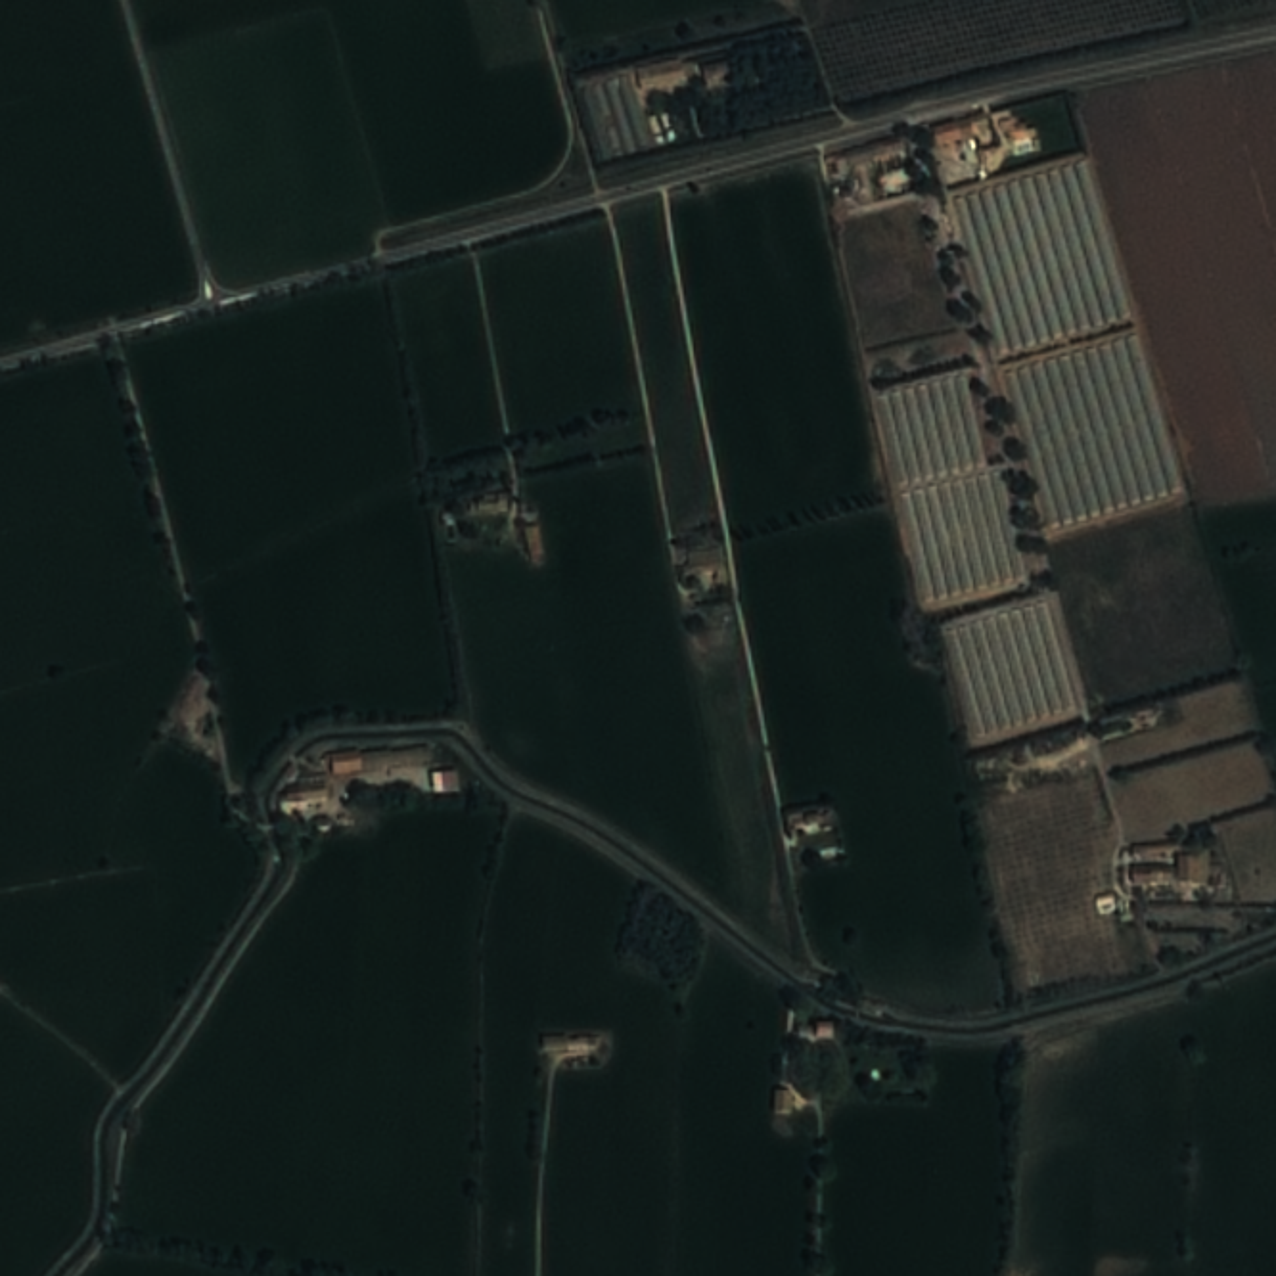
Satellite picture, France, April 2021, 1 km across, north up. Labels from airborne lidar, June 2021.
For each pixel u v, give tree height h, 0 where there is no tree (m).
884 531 0
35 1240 0
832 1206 0
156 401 0
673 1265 0
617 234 0
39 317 0
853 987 10
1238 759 0
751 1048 0
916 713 0
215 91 0
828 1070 26
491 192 0
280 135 0
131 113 0
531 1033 0
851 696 0
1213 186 0
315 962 0
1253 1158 0
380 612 0
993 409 11
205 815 0
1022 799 0
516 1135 0
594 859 0
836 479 0
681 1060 0
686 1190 0
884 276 0
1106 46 8
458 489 11
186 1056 0
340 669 0
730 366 0
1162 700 9
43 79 0
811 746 0
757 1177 0
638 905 9
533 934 0
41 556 0
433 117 0
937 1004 0
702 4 0
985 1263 0
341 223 0
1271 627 0
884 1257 0
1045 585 11
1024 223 0
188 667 0
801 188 0
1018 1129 8
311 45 0
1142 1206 0
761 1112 0
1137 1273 0
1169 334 0
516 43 0
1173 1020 0
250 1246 0
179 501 0
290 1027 0
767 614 0
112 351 18
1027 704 0
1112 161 0
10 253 0
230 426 0
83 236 0
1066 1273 0
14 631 0
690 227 0
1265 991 0
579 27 0
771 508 0
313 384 0
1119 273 0
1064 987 11
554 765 0
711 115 13
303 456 0
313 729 13
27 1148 0
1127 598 0
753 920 0
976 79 8
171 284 0
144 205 0
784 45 11
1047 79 0
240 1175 0
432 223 0
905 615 21
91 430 0
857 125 0
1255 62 0
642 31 0
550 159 0
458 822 0
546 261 0
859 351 0
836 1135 0
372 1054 0
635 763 0
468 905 0
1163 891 8
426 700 0
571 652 0
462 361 0
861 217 0
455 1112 0
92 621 0
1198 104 0
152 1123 0
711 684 0
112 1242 9
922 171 11
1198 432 0
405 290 0
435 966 0
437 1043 0
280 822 16
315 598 0
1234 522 0
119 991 0
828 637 0
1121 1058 0
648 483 0
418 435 6
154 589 0
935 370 8
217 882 0
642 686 0
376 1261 0
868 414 0
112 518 0
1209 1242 0
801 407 0
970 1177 0
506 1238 0
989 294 0
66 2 0
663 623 0
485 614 0
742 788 0
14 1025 0
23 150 0
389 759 0
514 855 0
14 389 0
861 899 0
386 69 0
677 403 0
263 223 0
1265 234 0
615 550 0
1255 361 0
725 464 0
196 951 0
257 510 0
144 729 0
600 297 0
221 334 0
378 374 0
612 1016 0
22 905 0
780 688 0
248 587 0
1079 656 0
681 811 0
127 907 0
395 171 0
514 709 0
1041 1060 0
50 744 0
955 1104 0
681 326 0
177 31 0
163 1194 0
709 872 0
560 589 0
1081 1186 0
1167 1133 0
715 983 0
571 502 0
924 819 0
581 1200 0
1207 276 0
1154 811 0
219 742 0
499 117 0
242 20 0
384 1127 0
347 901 0
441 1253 0
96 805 0
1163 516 0
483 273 0
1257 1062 0
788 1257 0
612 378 0
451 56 0
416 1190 0
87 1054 0
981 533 0
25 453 0
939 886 0
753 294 0
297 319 0
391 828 0
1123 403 0
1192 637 0
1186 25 6
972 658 0
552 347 0
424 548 0
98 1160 0
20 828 0
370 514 0
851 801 0
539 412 0
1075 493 0
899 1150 0
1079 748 0
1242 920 8
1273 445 0
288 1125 0
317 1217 0
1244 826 0
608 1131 0
